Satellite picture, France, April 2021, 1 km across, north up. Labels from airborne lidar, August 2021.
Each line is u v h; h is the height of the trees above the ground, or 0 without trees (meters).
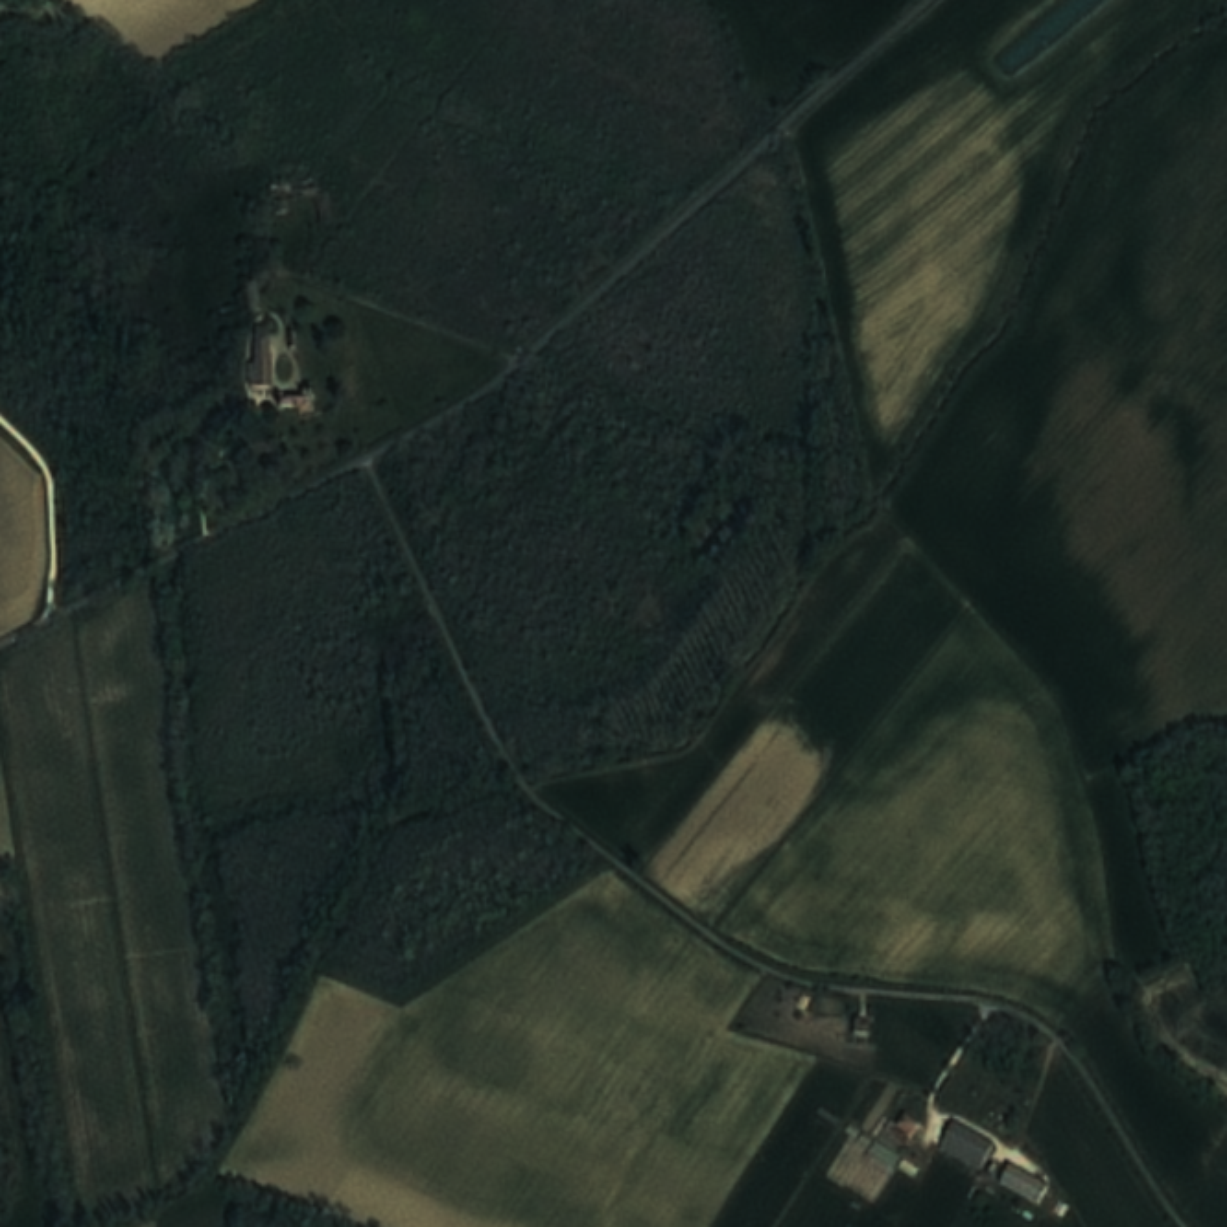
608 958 0
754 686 0
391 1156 0
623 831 0
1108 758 0
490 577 7
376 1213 0
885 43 0
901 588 0
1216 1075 0
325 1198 0
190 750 7
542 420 14
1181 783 16
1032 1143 0
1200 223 0
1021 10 0
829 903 0
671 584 10
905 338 0
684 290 6
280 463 16
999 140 0
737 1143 0
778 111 16
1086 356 0
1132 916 0
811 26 0
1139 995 13
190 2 0
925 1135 0
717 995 0
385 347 0
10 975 11
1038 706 0
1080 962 0
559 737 22
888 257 0
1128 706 0
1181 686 0
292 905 19
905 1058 0
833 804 0
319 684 11
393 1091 0
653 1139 0
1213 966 11
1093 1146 0
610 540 6
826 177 0
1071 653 0
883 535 0
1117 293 0
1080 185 0
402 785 24
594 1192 0
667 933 0
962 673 0
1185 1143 0
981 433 0
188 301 0
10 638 0
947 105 0
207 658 6
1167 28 0
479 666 9
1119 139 0
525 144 6
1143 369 0
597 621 7
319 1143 0
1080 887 0
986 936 0
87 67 20
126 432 27
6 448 0
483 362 0
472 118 10
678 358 6
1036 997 0
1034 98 0
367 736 8
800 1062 0
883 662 0
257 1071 22
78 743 7
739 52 6
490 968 0
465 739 23
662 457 9
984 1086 0
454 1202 0
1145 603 0
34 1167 14
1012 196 0
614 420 12
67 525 7
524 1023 0
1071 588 0
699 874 0
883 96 0
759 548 33
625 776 0
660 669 7
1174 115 0
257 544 5
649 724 30
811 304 7
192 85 9
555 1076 0
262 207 14
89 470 15
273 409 12
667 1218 0
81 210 16
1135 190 0
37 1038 15
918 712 0
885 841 0
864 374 0
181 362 10
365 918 19
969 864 0
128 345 23
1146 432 0
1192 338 0
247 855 20
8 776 0
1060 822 0
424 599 7
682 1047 0
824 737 0
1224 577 0
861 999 0
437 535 10
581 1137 0
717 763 0
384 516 6
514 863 17
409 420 0
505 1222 0
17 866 17
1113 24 0
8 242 23
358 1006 0
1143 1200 0
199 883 14
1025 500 0
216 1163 11
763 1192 0
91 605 17
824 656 0
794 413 7
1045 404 0
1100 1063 0
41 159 16
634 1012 0
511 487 6
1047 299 0
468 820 19
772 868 0
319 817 15
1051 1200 0
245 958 18
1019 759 0
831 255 0
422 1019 0
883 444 0
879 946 0
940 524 0
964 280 0
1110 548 0
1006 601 0
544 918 0
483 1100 0
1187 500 0
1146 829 12
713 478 22
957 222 0
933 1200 0
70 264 11
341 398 23
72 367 14
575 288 9
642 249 0
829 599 0
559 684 7
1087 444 0
